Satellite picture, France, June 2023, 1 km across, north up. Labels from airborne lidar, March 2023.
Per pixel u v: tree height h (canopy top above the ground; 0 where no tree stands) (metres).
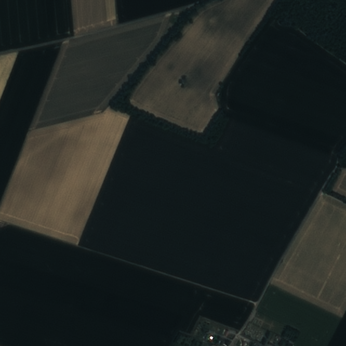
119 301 0
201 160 0
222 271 0
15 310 0
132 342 0
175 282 0
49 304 0
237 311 0
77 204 0
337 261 0
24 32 0
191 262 0
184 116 0
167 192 0
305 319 0
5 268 0
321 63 0
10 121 0
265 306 0
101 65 0
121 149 0
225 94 0
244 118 0
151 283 0
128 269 0
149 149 0
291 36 0
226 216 0
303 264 0
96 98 0
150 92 0
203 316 0
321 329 0
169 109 0
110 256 0
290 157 0
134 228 0
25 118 0
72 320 0
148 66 9
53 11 0
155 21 0
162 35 0
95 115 0
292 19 20
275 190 0
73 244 0
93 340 0
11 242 0
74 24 0
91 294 0
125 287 0
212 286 0
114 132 0
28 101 0
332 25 19
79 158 0
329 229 0
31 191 0
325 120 0
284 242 0
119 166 0
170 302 0
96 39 0
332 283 0
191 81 0
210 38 0
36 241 0
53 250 0
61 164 0
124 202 0
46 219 0
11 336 0
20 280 0
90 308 0
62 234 0
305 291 0
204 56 0
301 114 0
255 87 0
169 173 0
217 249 0
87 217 0
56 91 0
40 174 0
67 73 0
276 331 0
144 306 0
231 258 0
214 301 0
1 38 0
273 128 0
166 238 0
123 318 0
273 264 0
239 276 0
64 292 0
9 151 0
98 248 0
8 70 0
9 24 0
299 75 0
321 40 18
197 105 0
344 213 0
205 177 0
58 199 0
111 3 0
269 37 0
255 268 0
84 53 0
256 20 0
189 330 0
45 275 0
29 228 0
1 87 0
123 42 0
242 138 0
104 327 0
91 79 0
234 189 0
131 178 0
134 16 0
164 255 0
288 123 0
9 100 0
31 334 0
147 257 0
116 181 0
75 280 0
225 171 0
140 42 0
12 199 0
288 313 0
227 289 0
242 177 0
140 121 0
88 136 0
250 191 0
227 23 0
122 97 17
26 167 0
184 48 0
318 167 0
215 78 0
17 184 0
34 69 0
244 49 9
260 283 0
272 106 0
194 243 0
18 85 0
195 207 0
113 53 0
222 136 0
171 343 0
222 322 0
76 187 0
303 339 0
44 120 0
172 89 0
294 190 0
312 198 0
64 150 0
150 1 0
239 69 0
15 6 0
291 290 0
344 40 19
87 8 0
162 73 0
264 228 0
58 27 0
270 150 0
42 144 0
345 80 0
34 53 0
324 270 0
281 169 0
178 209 0
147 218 0
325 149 0
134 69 0
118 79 0
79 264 0
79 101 0
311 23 21
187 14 16
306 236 0
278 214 0
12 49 0
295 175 0
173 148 0
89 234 0
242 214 0
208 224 0
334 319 0
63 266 0
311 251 0
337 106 0
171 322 0
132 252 0
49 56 0
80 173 0
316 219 0
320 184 0
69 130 0
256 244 0
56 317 0
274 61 0
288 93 0
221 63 0
